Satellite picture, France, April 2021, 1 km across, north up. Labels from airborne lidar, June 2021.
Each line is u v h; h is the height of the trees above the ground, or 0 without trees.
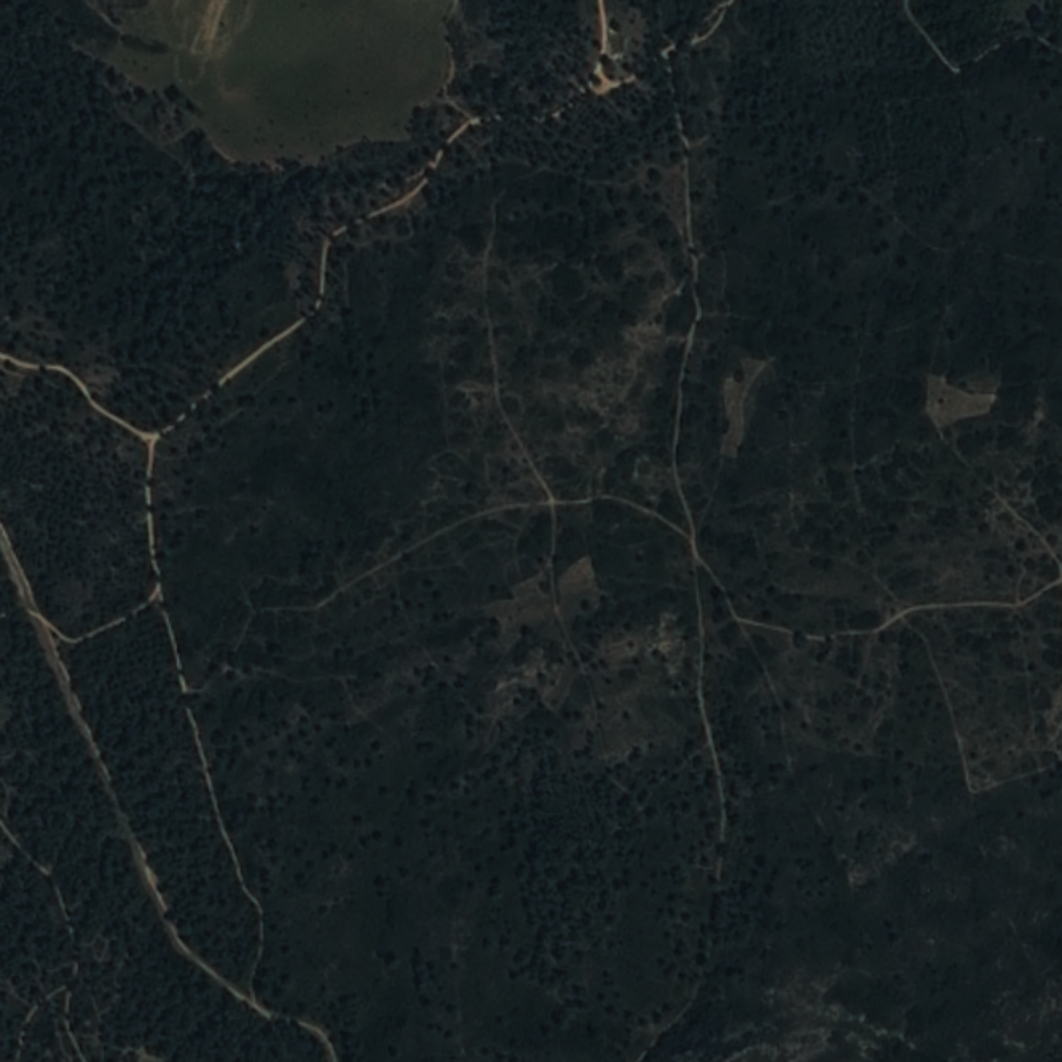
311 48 0
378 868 0
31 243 8
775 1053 0
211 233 14
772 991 0
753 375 0
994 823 0
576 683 0
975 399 0
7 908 16
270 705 12
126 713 12
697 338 0
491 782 12
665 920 8
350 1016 13
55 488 9
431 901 0
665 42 6
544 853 18
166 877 16
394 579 0
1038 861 0
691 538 0
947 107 8
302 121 0
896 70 7
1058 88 10
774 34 14
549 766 13
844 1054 0
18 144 10
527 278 0
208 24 0
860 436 0
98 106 16
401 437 0
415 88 0
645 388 0
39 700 16
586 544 0
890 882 0
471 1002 0
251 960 14
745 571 0
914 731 0
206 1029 14
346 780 9
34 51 13
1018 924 0
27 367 0
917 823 0
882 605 0
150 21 0
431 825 8
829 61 6
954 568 0
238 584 0
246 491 8
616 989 11
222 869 12
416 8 0
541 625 0
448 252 0
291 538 0
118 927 10
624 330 0
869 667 0
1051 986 0
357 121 0
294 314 0
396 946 0
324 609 0
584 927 13
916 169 8
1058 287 0
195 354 13
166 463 0
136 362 15
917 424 0
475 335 0
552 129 14
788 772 9
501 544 0
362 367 11
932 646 0
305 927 0
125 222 9
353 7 0
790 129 10
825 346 0
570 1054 0
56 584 6
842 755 0
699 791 8
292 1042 14
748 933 13
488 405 0
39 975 9
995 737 0
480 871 10
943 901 0
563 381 0
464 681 11
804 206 11
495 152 11
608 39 0
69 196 11
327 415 9
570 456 0
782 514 0
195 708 14
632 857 10
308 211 16
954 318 0
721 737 6
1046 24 18
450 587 0
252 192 18
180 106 18
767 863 12
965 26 9
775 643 0
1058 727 0
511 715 0
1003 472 0
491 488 0
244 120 0
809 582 0
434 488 0
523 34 14
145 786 12
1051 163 9
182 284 17
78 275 15
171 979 13
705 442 0
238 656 10
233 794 11
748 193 0
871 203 11
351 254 9
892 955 0
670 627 0
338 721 10
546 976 13
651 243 0
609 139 12
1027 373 6
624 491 0
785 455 0
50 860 12
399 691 0
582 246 6
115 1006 7
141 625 7
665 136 10
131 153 10
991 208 0
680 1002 0
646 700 0
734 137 7
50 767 16
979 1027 0
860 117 9
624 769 11
